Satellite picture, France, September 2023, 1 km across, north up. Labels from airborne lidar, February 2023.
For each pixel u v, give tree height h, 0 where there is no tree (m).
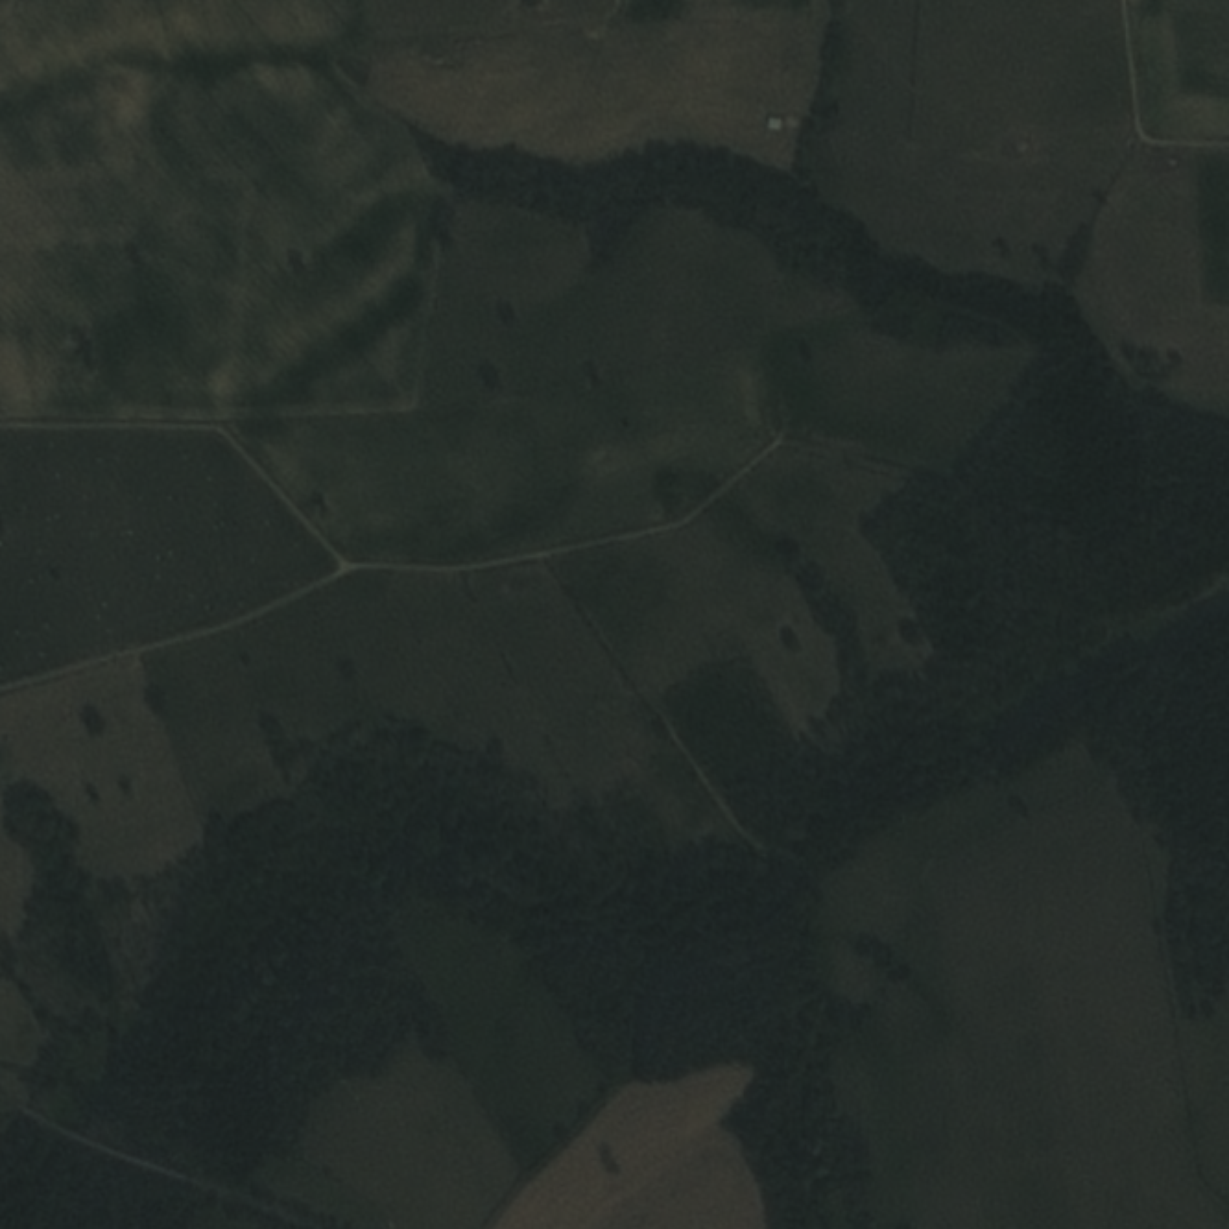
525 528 0
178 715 0
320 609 0
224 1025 23
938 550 6
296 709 0
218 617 0
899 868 0
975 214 0
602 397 0
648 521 0
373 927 15
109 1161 9
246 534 0
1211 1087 0
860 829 25
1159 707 13
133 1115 23
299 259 14
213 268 0
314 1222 9
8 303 0
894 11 0
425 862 22
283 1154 14
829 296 0
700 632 0
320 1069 14
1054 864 0
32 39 0
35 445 0
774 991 19
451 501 0
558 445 0
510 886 31
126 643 0
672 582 0
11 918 0
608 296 0
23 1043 0
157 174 0
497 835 24
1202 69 0
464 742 0
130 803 0
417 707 0
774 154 0
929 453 0
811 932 17
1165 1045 0
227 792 0
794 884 27
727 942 24
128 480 0
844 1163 5
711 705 0
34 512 0
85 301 0
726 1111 0
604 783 0
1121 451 8
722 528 0
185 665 0
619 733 0
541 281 0
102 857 0
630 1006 11
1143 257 0
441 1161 0
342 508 0
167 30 0
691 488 0
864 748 15
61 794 0
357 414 0
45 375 0
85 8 0
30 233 0
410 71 0
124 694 0
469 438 0
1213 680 13
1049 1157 0
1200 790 13
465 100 0
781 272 0
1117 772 14
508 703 0
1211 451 13
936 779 20
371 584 0
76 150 0
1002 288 8
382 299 0
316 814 6
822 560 0
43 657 0
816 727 15
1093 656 0
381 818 14
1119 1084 0
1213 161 0
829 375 0
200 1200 16
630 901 18
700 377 0
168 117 0
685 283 0
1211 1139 0
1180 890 8
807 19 0
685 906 21
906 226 0
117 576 0
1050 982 0
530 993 0
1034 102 0
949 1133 0
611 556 0
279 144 0
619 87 0
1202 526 14
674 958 8
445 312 0
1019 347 0
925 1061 0
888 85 0
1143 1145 0
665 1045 23
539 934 22
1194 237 0
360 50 0
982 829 0
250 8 0
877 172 0
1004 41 0
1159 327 0
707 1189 0
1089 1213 0
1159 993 0
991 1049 0
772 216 9
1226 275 0
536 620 0
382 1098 0
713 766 0
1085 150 0
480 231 0
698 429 0
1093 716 19
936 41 0
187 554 0
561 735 0
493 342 0
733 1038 23
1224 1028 0
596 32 0
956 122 0
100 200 0
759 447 0
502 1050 0
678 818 0
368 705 0
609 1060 21
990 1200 0
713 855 17
